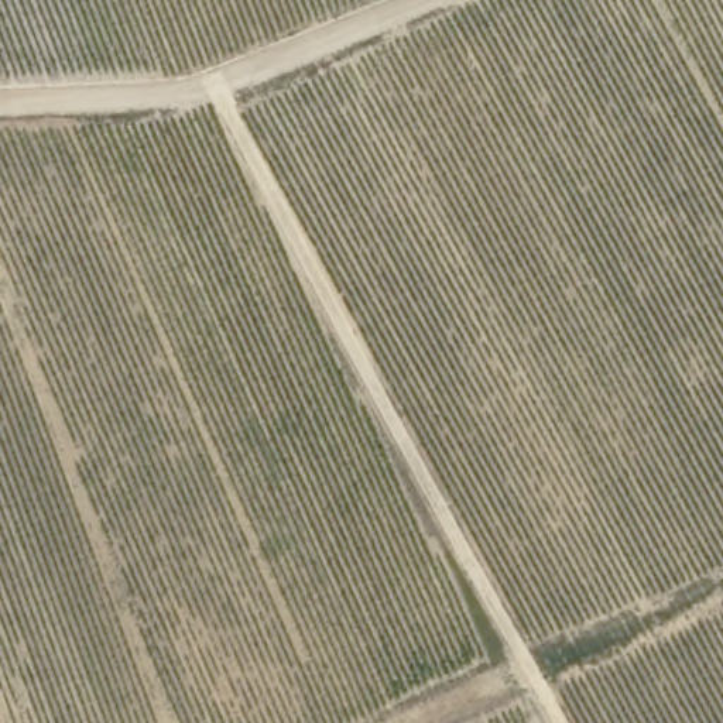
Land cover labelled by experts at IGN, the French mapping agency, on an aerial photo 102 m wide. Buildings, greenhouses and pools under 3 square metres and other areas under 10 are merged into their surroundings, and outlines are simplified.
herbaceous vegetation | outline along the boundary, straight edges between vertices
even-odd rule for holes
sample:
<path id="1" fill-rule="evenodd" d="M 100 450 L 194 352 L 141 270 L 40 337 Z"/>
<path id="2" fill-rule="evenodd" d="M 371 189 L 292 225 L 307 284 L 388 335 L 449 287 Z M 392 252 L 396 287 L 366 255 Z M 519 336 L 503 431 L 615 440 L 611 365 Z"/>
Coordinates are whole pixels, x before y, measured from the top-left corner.
<path id="1" fill-rule="evenodd" d="M 573 664 L 607 655 L 613 647 L 624 647 L 635 635 L 678 619 L 681 613 L 692 610 L 715 593 L 715 582 L 695 582 L 669 602 L 669 607 L 652 610 L 647 616 L 633 616 L 627 624 L 604 621 L 576 641 L 554 641 L 531 652 L 548 681 L 551 675 L 559 675 Z"/>
<path id="2" fill-rule="evenodd" d="M 517 698 L 525 692 L 525 686 L 520 686 L 508 661 L 480 675 L 477 681 L 458 686 L 426 703 L 418 703 L 407 712 L 398 712 L 384 723 L 528 723 L 525 712 L 520 712 L 517 706 Z"/>

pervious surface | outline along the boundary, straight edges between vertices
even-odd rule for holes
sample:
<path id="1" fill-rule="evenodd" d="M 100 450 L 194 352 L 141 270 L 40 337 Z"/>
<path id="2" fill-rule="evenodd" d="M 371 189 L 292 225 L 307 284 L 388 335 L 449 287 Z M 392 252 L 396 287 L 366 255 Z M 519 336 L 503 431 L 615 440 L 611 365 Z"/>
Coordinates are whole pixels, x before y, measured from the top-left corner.
<path id="1" fill-rule="evenodd" d="M 288 249 L 291 265 L 299 274 L 299 282 L 322 322 L 322 330 L 333 330 L 342 350 L 347 353 L 359 381 L 367 390 L 367 407 L 373 418 L 381 421 L 381 426 L 404 455 L 412 480 L 429 503 L 432 517 L 443 528 L 483 610 L 500 633 L 508 661 L 520 686 L 525 686 L 525 692 L 517 698 L 517 706 L 520 712 L 525 712 L 528 723 L 570 723 L 548 681 L 531 652 L 511 613 L 506 610 L 503 596 L 494 587 L 486 565 L 480 562 L 472 539 L 458 525 L 449 500 L 443 497 L 426 458 L 418 449 L 415 435 L 395 412 L 356 322 L 350 319 L 342 297 L 336 294 L 328 271 L 322 268 L 282 189 L 277 186 L 265 158 L 260 155 L 234 99 L 237 90 L 249 85 L 260 85 L 285 71 L 325 59 L 328 54 L 336 54 L 339 48 L 347 48 L 350 42 L 367 40 L 373 34 L 390 31 L 393 37 L 404 37 L 407 23 L 418 14 L 449 6 L 469 6 L 474 0 L 370 0 L 339 17 L 311 23 L 291 37 L 251 45 L 243 54 L 226 56 L 217 65 L 181 76 L 164 76 L 153 71 L 0 76 L 0 116 L 124 113 L 144 107 L 169 107 L 189 113 L 195 107 L 215 104 L 226 138 L 246 178 L 254 186 L 257 203 L 268 209 Z"/>

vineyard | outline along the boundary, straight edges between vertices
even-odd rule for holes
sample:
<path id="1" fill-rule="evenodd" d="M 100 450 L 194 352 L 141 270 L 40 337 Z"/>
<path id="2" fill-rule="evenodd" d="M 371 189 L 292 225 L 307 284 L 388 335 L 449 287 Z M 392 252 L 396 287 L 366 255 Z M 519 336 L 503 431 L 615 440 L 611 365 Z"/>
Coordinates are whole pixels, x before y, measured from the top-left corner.
<path id="1" fill-rule="evenodd" d="M 418 703 L 426 703 L 458 686 L 477 681 L 480 675 L 508 661 L 500 633 L 483 610 L 443 528 L 432 517 L 429 503 L 412 480 L 404 455 L 381 426 L 381 421 L 373 418 L 367 407 L 367 390 L 359 381 L 347 353 L 342 350 L 333 330 L 322 330 L 322 322 L 299 282 L 299 274 L 291 265 L 288 249 L 268 209 L 257 203 L 254 186 L 246 178 L 226 138 L 215 104 L 195 107 L 189 113 L 169 107 L 144 107 L 124 113 L 0 116 L 0 723 L 384 723 L 398 712 L 407 712 Z"/>
<path id="2" fill-rule="evenodd" d="M 243 54 L 251 45 L 291 37 L 311 23 L 339 17 L 370 0 L 0 0 L 0 76 L 153 71 L 164 76 L 181 76 L 217 65 L 226 56 Z"/>
<path id="3" fill-rule="evenodd" d="M 548 681 L 570 723 L 723 723 L 723 0 L 474 0 L 469 6 L 449 6 L 418 14 L 407 23 L 404 37 L 393 37 L 390 31 L 373 34 L 367 40 L 350 42 L 347 48 L 339 48 L 336 54 L 328 54 L 325 59 L 285 71 L 260 85 L 249 85 L 237 90 L 234 99 L 260 155 L 265 158 L 277 186 L 282 189 L 322 268 L 328 271 L 336 294 L 342 297 L 350 319 L 356 322 L 395 412 L 415 435 L 418 449 L 426 458 L 443 497 L 449 500 L 458 525 L 472 539 L 480 562 L 486 565 L 494 587 L 503 596 L 506 610 L 511 613 L 531 652 L 554 641 L 576 641 L 604 621 L 627 624 L 633 616 L 647 616 L 652 610 L 669 607 L 669 602 L 695 582 L 715 582 L 715 593 L 692 610 L 681 613 L 678 619 L 635 635 L 624 647 L 613 647 L 607 655 L 573 664 L 559 675 L 551 675 Z"/>

